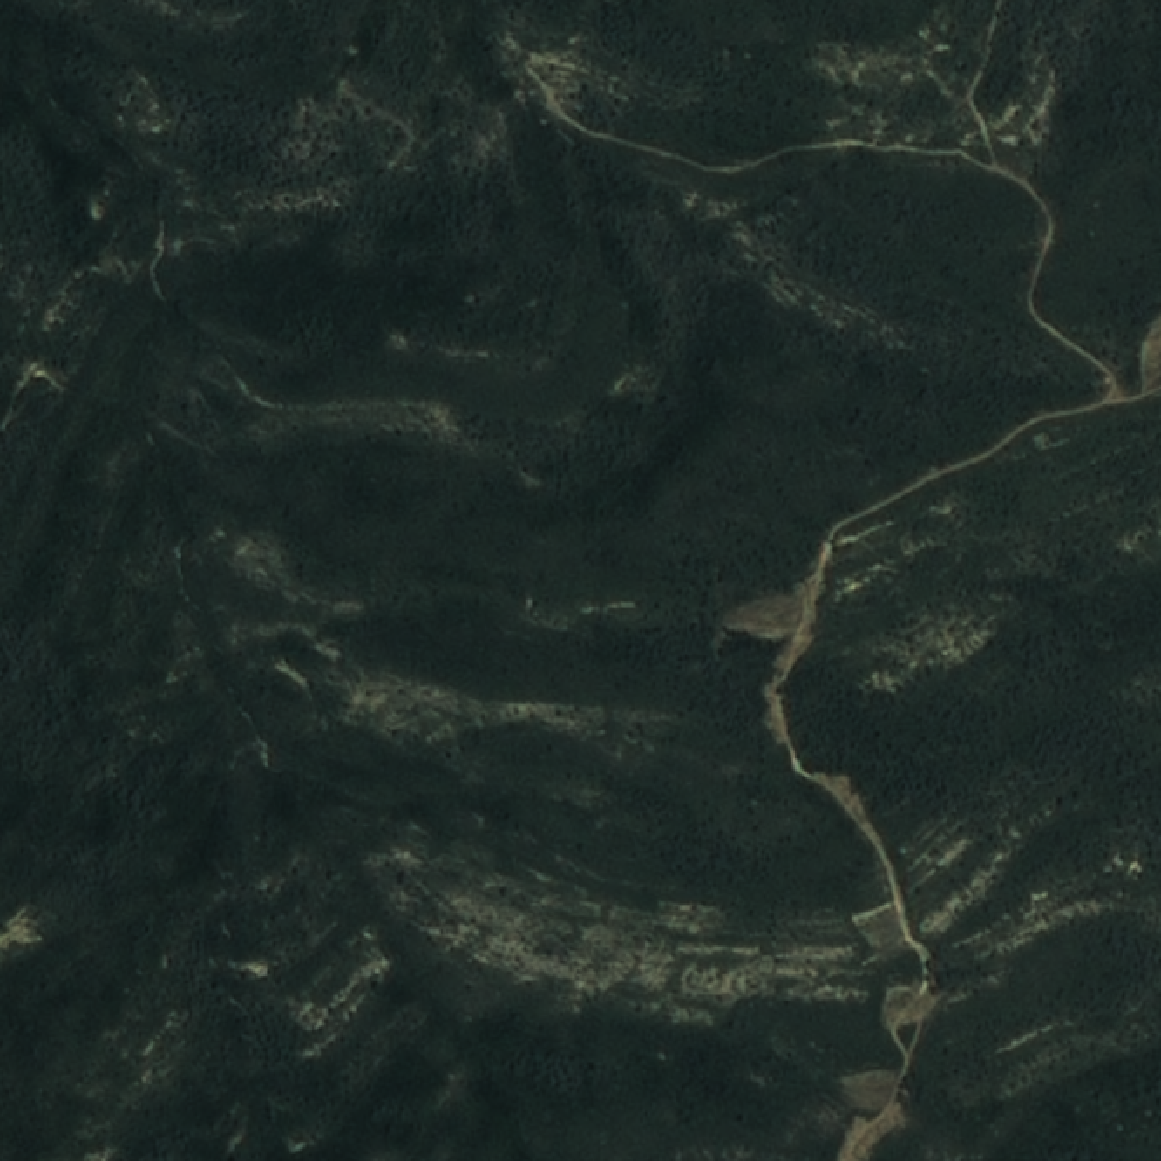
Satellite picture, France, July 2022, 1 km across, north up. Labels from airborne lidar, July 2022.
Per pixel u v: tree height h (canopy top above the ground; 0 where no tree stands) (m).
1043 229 0
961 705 10
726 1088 7
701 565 8
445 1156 0
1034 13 10
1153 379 0
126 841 9
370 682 0
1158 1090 10
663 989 0
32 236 12
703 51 8
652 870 0
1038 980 0
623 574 0
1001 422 6
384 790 0
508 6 6
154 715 8
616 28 10
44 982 6
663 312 11
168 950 7
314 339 8
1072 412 0
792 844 8
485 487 6
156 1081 8
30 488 7
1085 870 8
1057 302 0
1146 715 8
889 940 0
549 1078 9
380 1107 11
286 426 0
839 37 7
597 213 9
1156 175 0
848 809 0
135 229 8
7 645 12
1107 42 8
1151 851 7
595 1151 0
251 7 9
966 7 6
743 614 0
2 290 7
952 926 0
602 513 6
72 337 11
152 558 7
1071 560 7
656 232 7
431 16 9
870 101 6
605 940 0
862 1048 0
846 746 6
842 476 0
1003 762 9
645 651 7
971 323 7
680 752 0
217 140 10
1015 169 0
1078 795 12
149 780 9
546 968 0
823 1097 0
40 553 8
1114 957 6
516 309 6
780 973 0
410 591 6
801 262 8
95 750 11
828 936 0
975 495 6
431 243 6
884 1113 0
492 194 6
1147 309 7
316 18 8
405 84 8
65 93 6
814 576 0
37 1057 7
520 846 0
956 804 7
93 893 7
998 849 9
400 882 8
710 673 8
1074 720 9
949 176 0
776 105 10
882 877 0
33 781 9
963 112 0
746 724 6
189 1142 5
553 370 0
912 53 5
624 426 8
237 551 0
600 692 0
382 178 10
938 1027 0
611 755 0
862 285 10
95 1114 8
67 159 6
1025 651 9
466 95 7
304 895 9
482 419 8
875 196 6
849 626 0
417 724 0
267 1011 7
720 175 0
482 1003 0
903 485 0
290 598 0
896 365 8
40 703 8
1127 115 9
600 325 0
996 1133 0
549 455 8
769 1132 0
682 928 0
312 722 0
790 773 7
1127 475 7
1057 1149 7
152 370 6
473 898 0
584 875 0
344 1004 6
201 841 6
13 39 5
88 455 10
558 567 0
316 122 9
